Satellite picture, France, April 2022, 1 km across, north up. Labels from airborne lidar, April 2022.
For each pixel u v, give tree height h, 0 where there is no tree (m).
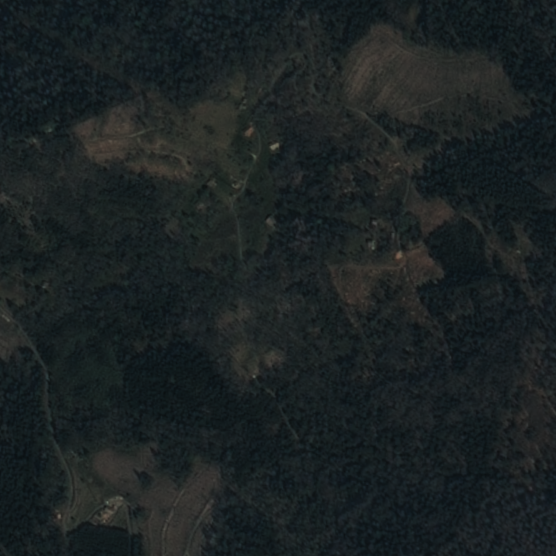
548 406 10
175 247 33
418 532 24
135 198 30
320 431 25
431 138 18
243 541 20
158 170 0
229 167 0
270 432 16
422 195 20
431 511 22
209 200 14
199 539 0
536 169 13
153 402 15
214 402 19
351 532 20
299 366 19
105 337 11
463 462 33
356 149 13
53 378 23
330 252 17
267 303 22
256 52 10
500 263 12
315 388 20
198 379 16
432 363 13
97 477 0
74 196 21
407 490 26
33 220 12
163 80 26
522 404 31
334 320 20
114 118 0
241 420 19
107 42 17
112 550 15
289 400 25
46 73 6
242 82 0
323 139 21
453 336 14
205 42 15
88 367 10
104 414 7
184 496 0
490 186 21
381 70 0
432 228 0
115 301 29
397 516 20
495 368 25
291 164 29
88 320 11
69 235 21
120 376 9
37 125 13
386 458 18
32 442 24
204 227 23
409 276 0
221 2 21
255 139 0
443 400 24
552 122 30
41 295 13
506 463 34
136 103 20
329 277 20
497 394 24
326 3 26
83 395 7
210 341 24
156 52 6
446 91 0
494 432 31
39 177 16
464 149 26
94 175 25
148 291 27
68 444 15
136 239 25
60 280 22
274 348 19
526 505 11
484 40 25
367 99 0
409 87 0
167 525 0
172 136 15
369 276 0
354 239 10
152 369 23
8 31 23
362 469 6
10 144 20
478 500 33
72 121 8
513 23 25
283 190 6
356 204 16
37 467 7
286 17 22
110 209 22
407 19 25
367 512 22
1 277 11
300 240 20
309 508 13
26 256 14
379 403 32
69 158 16
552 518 31
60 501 13
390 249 16
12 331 0
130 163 20
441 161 28
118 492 0
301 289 18
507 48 29
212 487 0
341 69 16
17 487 27
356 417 27
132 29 29
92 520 0
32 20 9
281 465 20
